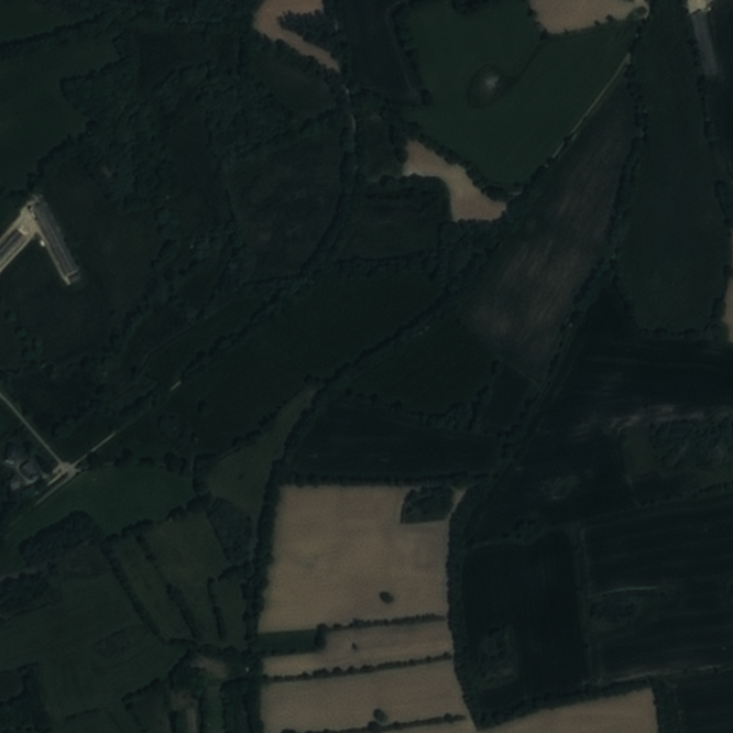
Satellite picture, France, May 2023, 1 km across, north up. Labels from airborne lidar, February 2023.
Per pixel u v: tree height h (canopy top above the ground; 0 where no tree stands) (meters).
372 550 0
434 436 0
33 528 0
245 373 0
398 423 0
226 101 10
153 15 9
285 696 0
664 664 0
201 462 17
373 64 0
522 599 0
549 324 0
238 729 0
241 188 0
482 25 0
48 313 0
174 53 0
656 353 0
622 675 0
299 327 0
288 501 0
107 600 0
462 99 0
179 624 0
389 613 0
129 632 0
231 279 13
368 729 8
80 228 0
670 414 0
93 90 19
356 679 0
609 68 0
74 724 0
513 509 0
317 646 13
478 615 0
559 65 0
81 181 0
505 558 0
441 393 0
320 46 18
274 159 0
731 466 7
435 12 0
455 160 16
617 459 0
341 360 0
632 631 0
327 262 17
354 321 0
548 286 0
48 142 0
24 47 18
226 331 0
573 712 0
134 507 0
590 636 0
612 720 0
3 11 0
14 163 0
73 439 0
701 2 0
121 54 13
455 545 12
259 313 11
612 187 0
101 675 0
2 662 0
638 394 0
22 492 16
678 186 0
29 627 0
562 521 0
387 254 0
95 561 0
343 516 0
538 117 0
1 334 0
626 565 0
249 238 0
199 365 14
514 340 0
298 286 15
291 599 0
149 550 9
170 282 25
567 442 0
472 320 0
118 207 11
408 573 0
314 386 14
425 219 0
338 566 0
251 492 0
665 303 0
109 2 12
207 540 0
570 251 0
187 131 0
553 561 0
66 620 0
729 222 12
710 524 0
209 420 0
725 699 0
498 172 0
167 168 18
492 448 0
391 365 0
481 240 20
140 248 0
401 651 0
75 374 0
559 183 0
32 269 0
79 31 18
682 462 9
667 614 0
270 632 0
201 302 0
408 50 18
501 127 0
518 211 18
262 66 0
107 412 19
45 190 0
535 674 0
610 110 0
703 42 0
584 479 0
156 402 13
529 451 0
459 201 0
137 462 12
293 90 0
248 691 17
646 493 0
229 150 9
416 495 11
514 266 0
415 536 0
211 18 13
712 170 0
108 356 21
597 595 0
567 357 0
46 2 11
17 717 19
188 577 0
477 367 0
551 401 0
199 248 11
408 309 0
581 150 0
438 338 0
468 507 14
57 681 0
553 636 0
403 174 0
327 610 0
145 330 0
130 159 7
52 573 9
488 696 0
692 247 0
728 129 0
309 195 0
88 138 17
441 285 11
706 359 0
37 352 10
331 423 0
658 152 0
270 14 0
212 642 0
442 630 0
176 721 20
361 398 10
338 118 23
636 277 0
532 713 9
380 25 0
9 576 0
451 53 0
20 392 0
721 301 8
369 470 0
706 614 0
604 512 0
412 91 0
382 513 0
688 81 0
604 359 0
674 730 11
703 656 0
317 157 0
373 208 0
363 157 19
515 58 0
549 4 0
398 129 17
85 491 0
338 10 11
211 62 9
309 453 0
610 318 0
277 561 0
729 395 0
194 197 0
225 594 0
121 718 0
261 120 8
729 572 0
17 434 6
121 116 11
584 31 0
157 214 11
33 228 0
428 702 0
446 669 0
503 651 9
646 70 0
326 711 0
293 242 0
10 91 0
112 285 0
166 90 11
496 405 0
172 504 0
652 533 0
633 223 0
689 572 0
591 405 0
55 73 0
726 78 0
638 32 13
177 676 13
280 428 0
